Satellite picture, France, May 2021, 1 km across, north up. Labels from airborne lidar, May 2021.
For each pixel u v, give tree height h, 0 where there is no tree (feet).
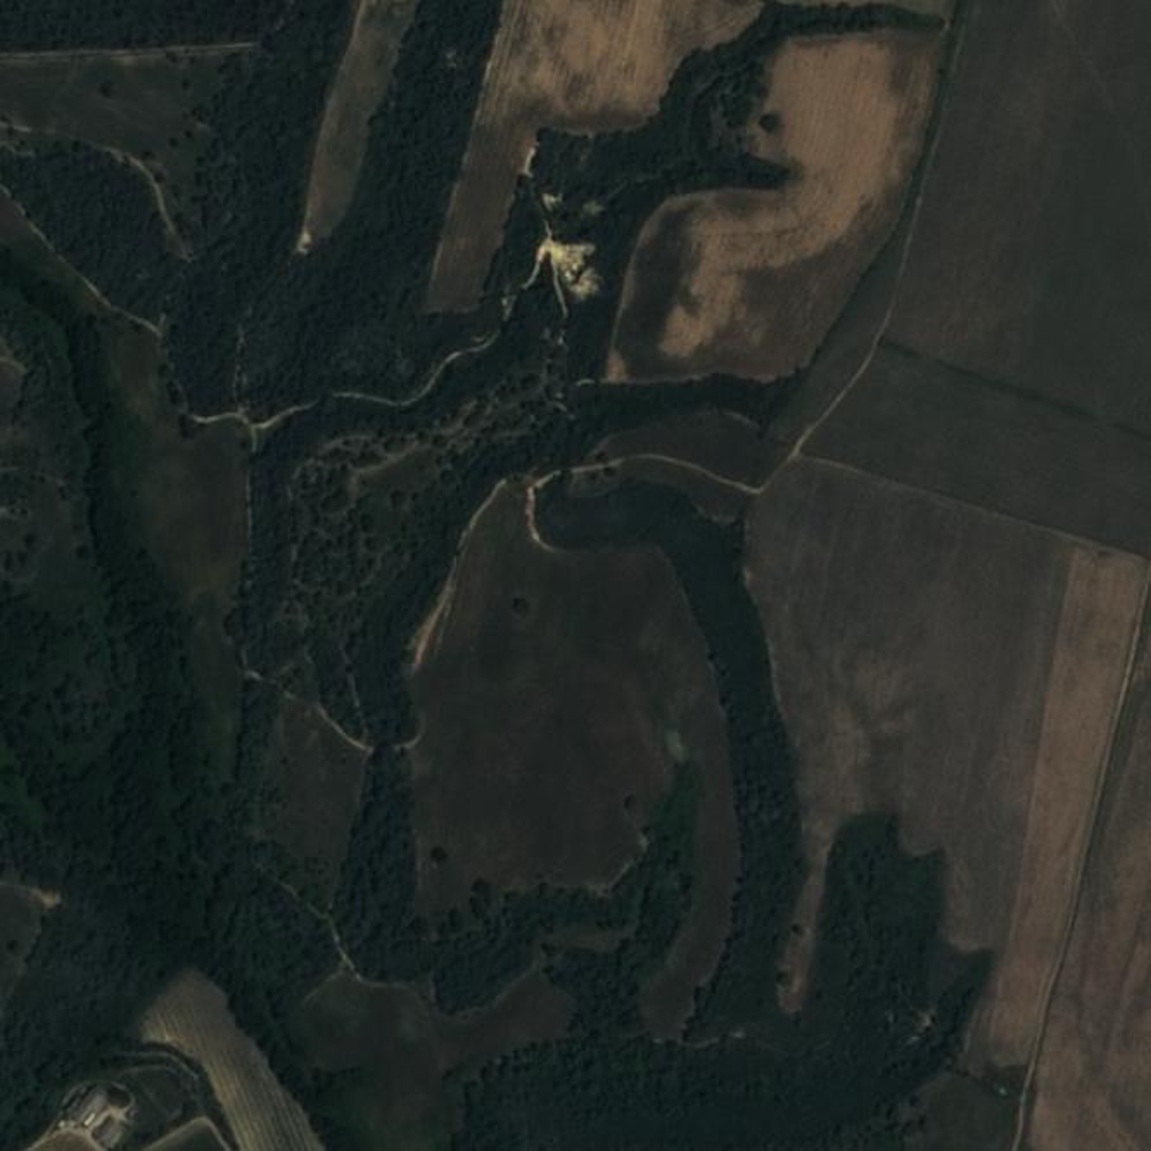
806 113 0
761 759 24
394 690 50
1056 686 0
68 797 60
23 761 39
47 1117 20
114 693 34
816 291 0
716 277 0
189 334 49
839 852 25
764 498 0
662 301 0
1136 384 0
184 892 67
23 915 0
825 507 0
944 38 0
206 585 0
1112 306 0
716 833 0
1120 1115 0
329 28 34
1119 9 0
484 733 0
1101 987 0
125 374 0
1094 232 0
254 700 21
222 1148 0
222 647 0
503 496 0
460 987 33
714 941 0
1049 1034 0
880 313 0
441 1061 0
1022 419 0
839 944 23
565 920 19
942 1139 0
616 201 17
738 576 21
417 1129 0
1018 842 0
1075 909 0
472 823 0
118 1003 21
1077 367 0
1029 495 0
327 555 32
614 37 0
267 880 57
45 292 65
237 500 0
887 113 0
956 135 0
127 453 0
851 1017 31
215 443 0
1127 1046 0
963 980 18
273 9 57
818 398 0
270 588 27
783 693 0
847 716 0
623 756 0
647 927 38
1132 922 0
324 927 46
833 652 0
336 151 0
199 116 32
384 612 18
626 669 0
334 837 0
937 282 0
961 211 0
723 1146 23
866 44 0
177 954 61
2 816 53
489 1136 41
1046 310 0
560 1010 0
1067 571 0
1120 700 0
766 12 22
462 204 0
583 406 28
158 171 0
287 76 20
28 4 45
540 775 0
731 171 31
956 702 0
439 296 0
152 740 73
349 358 24
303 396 49
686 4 0
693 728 0
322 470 26
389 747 49
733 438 0
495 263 25
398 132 34
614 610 0
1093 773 0
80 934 24
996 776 0
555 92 0
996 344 0
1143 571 0
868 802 0
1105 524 0
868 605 0
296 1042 27
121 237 33
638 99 0
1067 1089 0
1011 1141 0
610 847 0
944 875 0
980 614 0
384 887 61
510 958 39
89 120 0
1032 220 0
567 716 0
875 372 0
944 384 0
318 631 27
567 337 27
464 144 31
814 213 0
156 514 0
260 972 38
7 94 0
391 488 0
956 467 0
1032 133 0
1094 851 0
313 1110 49
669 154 32
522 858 0
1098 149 0
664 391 19
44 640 34
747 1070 20
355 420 21
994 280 0
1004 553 0
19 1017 36
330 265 35
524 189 39
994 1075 0
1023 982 0
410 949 47
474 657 0
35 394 36
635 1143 21
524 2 0
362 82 0
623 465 0
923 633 0
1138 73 0
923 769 0
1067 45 0
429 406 20
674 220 0
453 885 0
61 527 0
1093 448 0
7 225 0
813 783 0
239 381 22
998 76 0
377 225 39
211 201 41
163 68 0
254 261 47
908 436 0
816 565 0
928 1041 35
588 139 22
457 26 47
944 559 0
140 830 68
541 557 0
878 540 0
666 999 0
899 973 29
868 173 0
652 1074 39
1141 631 0
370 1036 0
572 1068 46
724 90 21
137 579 63
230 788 43
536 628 0
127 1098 22
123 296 34
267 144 19
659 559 0
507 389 30
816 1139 18
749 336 0
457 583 0
